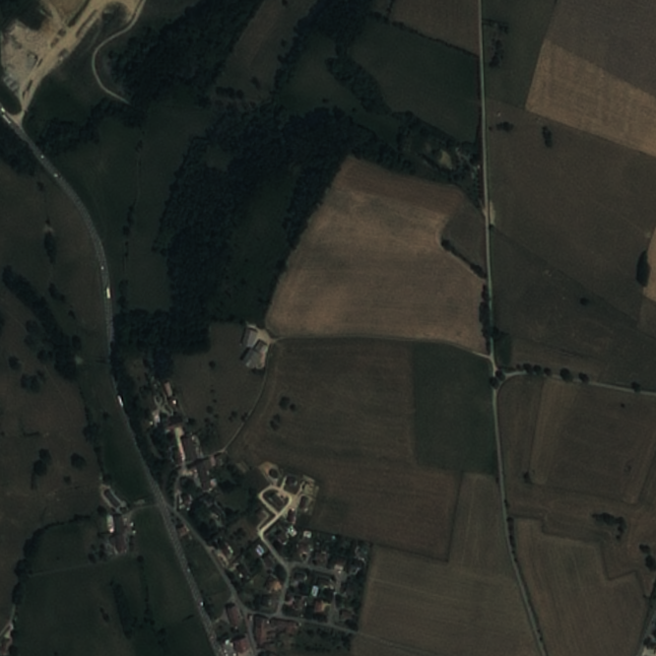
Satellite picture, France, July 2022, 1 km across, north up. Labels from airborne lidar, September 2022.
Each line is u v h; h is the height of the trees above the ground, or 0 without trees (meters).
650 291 0
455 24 0
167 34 22
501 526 0
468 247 0
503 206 0
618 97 0
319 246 0
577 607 0
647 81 0
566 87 0
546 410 0
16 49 0
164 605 0
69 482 7
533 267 0
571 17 0
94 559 20
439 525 0
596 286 0
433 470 0
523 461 0
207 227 7
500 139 0
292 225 23
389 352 0
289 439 0
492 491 0
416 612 0
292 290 0
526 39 0
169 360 29
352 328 0
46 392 0
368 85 9
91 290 0
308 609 6
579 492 0
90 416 11
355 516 0
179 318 23
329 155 19
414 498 0
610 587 0
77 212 0
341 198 0
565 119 0
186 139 0
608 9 0
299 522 0
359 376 0
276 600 0
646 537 0
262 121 7
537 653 0
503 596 0
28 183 0
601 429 0
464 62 0
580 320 0
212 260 24
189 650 0
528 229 0
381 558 0
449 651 0
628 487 0
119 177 0
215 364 10
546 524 0
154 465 14
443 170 9
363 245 0
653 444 0
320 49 0
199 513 20
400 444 0
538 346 0
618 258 0
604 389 0
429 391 0
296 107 0
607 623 0
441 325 0
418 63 0
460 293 0
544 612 0
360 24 20
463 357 0
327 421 0
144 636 0
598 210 0
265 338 0
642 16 0
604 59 0
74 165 0
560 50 0
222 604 0
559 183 0
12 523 0
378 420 0
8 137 28
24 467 0
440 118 0
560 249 0
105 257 0
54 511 0
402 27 11
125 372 20
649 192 0
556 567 0
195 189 20
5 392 0
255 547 9
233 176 18
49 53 0
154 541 0
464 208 0
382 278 0
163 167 0
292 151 32
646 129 0
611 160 0
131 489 0
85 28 0
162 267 0
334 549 6
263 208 0
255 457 0
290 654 0
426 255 0
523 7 0
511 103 0
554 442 0
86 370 0
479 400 0
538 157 0
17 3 17
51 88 0
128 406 20
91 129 15
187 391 0
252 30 0
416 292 0
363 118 0
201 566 0
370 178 0
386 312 0
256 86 19
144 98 20
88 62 0
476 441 0
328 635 9
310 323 0
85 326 0
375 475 0
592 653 0
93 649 0
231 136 14
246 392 0
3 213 0
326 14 21
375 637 0
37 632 0
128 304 12
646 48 0
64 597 0
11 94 0
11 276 22
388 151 26
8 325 0
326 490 0
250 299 0
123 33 0
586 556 0
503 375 11
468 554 0
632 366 0
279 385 0
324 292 0
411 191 0
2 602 0
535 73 0
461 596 0
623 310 0
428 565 0
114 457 0
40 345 16
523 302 0
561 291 0
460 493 0
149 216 0
